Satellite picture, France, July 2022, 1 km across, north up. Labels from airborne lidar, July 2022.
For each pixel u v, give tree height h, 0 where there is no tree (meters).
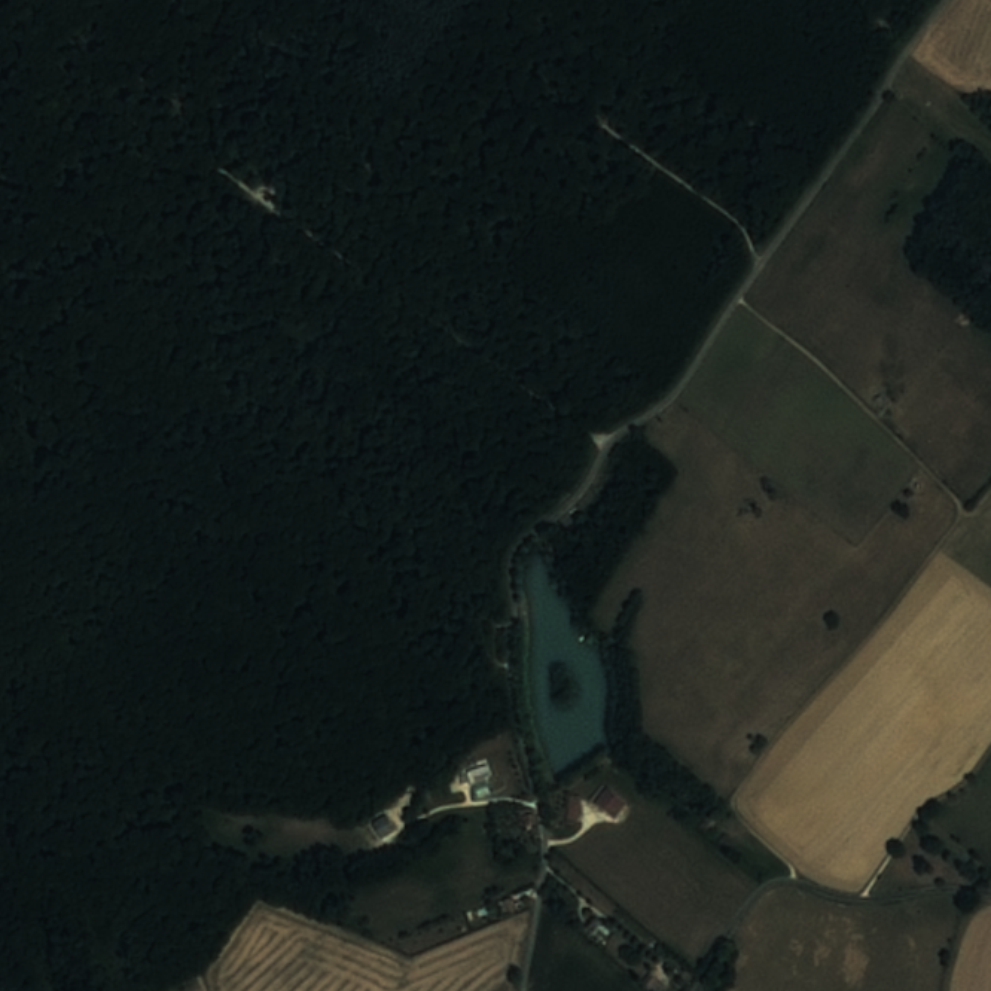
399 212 23
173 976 26
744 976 0
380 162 31
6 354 30
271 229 25
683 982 13
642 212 6
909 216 0
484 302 23
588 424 24
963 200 30
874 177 0
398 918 0
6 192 27
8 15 25
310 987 0
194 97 25
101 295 30
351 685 33
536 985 0
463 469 20
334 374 25
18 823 28
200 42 29
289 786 29
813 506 0
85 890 32
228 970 0
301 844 0
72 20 26
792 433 0
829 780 0
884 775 0
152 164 12
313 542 24
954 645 0
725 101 23
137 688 31
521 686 19
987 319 20
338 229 28
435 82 27
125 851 31
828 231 0
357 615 32
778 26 17
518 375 26
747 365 0
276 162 28
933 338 0
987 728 0
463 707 26
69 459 24
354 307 22
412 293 23
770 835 0
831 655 0
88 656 25
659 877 0
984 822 0
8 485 36
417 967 0
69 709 26
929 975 0
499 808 7
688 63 17
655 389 9
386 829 0
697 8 16
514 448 25
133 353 31
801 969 0
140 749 27
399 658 25
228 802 31
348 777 30
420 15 21
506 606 8
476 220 29
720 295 8
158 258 28
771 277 0
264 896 15
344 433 19
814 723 0
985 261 27
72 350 36
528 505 27
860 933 0
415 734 23
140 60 29
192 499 28
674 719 0
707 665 0
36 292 29
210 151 30
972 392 0
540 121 29
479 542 25
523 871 0
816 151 16
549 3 28
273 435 25
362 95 28
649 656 0
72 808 31
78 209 32
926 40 0
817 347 0
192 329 27
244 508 21
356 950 0
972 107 6
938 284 17
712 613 0
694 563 0
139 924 33
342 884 23
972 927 0
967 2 0
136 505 31
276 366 21
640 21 29
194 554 26
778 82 17
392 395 8
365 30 25
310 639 28
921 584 0
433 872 0
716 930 0
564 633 0
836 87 16
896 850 19
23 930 23
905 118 0
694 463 0
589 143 26
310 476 26
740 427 0
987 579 0
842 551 0
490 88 28
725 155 11
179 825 26
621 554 14
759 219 31
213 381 25
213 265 20
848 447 0
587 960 0
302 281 16
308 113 27
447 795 0
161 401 24
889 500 0
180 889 34
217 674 28
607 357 15
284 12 33
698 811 12
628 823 0
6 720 28
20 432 25
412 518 19
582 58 31
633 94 29
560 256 12
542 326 28
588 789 0
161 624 28
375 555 21
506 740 0
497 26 27
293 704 26
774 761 0
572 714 0
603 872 0
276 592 32
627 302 10
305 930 0
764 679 0
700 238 7
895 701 0
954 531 0
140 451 27
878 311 0
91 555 19
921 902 0
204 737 32
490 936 0
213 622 32
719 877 0
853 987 0
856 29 18
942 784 0
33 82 31
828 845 0
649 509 14
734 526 0
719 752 0
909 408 0
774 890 0
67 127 35
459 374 24
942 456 0
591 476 0
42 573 26
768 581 0
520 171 27
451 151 31
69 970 21
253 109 26
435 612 9
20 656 24
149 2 29
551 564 12
